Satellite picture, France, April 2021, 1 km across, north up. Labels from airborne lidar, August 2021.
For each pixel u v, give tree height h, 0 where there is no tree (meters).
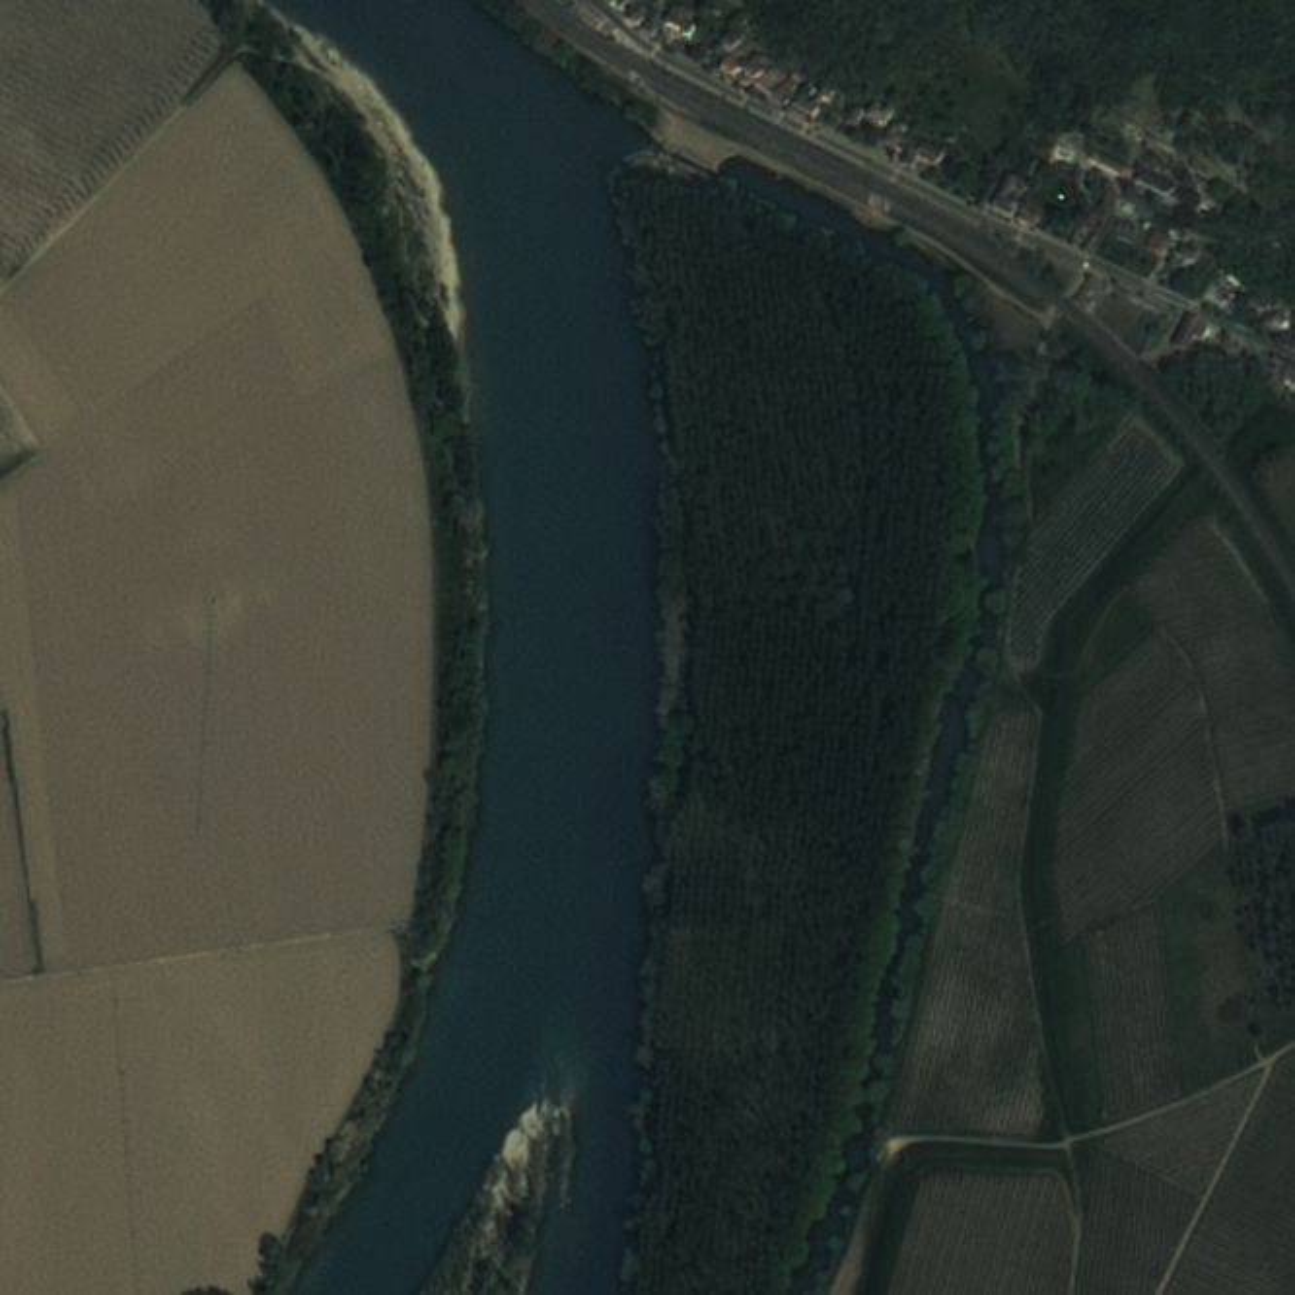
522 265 0
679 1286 27
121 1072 0
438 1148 0
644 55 0
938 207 0
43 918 0
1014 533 17
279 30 8
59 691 0
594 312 0
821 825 24
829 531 24
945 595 29
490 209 0
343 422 0
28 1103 0
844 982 32
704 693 22
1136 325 0
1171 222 7
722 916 29
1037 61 12
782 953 26
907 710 28
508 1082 0
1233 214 11
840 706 24
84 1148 0
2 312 0
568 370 0
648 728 0
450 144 0
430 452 0
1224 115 10
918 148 0
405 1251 0
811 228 12
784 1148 30
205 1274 0
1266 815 0
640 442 0
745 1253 30
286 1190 0
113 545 0
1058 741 0
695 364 24
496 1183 16
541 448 0
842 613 16
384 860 0
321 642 0
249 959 0
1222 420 18
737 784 25
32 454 0
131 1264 0
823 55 16
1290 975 17
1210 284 0
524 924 0
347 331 0
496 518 0
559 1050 0
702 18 7
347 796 0
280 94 9
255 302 0
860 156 0
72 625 0
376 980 0
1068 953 0
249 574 0
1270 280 14
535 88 0
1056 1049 0
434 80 0
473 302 0
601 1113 0
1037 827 0
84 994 0
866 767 25
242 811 0
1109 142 8
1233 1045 0
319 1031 0
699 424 26
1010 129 16
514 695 0
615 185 18
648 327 36
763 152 0
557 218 0
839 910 28
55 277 0
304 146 0
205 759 0
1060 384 24
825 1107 31
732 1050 25
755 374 29
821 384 24
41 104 16
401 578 0
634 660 0
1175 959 0
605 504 0
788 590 16
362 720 0
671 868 22
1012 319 0
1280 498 0
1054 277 14
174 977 0
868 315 29
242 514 0
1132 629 0
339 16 0
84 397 0
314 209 0
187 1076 0
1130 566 0
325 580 0
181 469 0
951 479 27
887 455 28
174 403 0
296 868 0
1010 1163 0
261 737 0
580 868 0
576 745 0
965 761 14
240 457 0
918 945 14
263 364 0
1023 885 0
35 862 0
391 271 0
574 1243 0
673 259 26
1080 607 0
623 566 0
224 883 0
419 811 0
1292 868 21
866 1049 17
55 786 0
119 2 17
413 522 0
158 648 0
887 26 17
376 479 0
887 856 31
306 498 0
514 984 0
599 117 0
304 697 0
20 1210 0
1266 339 6
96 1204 0
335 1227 0
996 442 8
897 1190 0
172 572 0
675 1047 24
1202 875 0
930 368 29
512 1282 16
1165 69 6
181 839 0
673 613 30
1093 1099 0
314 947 0
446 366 16
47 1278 0
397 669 0
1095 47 7
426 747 0
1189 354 8
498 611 0
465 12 0
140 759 0
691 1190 23
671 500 30
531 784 0
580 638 0
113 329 0
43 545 0
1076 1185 0
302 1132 0
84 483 0
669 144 0
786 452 25
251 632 0
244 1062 0
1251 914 10
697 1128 24
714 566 22
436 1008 0
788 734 21
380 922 0
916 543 31
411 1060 15
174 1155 0
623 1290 9
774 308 28
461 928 0
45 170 15
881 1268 0
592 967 0
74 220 0
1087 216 12
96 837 0
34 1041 0
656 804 28
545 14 0
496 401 0
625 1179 0
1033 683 0
